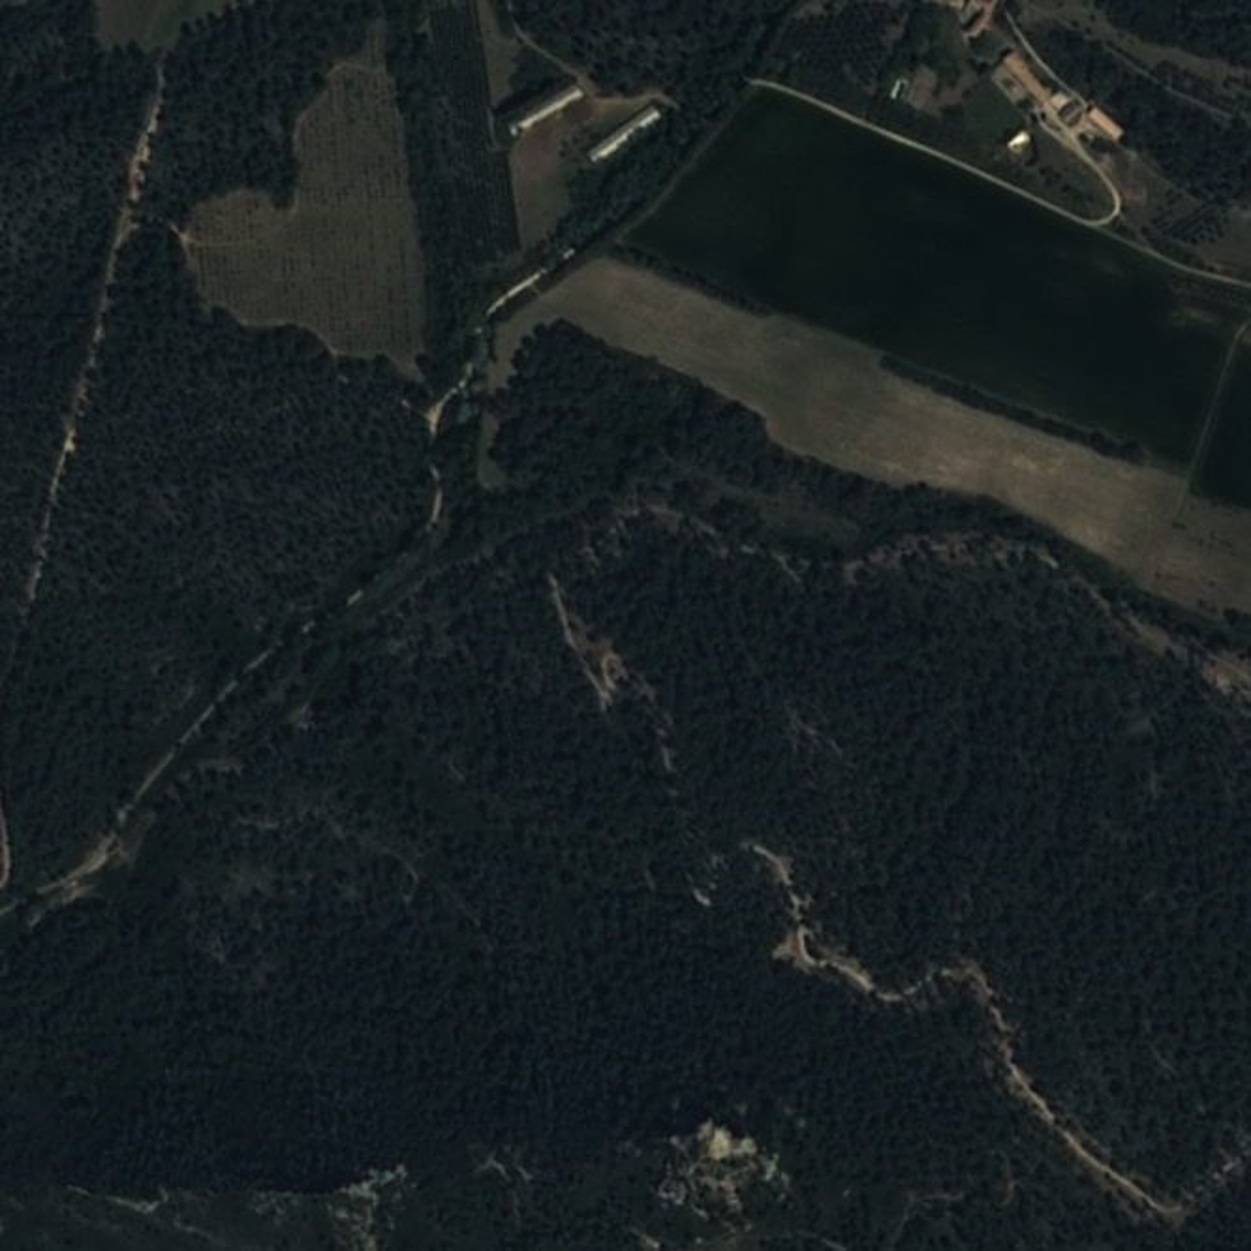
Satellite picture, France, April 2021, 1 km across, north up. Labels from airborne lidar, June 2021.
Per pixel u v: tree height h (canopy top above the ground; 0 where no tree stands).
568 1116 11
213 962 6
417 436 16
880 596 14
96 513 14
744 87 19
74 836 11
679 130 19
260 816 13
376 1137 11
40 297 9
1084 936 13
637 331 0
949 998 15
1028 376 0
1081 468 0
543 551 10
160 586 11
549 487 21
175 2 0
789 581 13
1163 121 10
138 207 13
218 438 12
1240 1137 9
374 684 11
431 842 8
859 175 0
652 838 14
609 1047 9
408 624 6
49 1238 0
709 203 0
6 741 11
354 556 19
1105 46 7
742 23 7
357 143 0
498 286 10
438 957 10
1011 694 10
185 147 12
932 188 0
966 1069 13
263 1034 8
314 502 12
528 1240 12
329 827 10
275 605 9
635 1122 6
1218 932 15
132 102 9
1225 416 0
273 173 15
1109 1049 13
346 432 12
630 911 14
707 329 0
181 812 13
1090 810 13
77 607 6
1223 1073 18
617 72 18
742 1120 7
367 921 10
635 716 14
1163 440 0
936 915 11
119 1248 0
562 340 16
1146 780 10
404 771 14
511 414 19
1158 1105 15
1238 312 0
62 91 6
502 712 13
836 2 12
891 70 13
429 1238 0
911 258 0
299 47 12
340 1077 7
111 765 12
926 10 10
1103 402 0
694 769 12
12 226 7
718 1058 14
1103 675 14
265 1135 9
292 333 11
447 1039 17
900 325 0
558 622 12
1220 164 13
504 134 0
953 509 7
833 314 0
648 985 11
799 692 11
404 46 13
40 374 14
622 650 12
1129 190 0
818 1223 10
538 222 0
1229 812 11
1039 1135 13
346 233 0
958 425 0
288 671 15
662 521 13
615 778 17
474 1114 13
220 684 13
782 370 0
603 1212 10
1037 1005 12
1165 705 15
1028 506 0
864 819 9
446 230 9
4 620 14
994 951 12
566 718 12
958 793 15
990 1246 15
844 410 0
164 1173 10
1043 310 0
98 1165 8
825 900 13
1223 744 13
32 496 15
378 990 12
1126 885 16
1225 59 16
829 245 0
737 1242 0
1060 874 12
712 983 13
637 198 20
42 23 11
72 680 12
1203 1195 15
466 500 6
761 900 12
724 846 14
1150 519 0
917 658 12
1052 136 0
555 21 18
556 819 10
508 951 12
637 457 18
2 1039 15
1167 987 10
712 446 19
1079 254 0
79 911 12
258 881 0
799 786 12
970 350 0
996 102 0
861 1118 9
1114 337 0
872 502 8
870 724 13
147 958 12
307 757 15
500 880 6
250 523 13
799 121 0
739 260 0
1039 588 18
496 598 10
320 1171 8
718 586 11
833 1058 14
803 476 14
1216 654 19
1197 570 0
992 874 12
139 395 13
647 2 14
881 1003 13
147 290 8
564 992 6
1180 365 0
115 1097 6
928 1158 16
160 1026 13
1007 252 0
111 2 0
